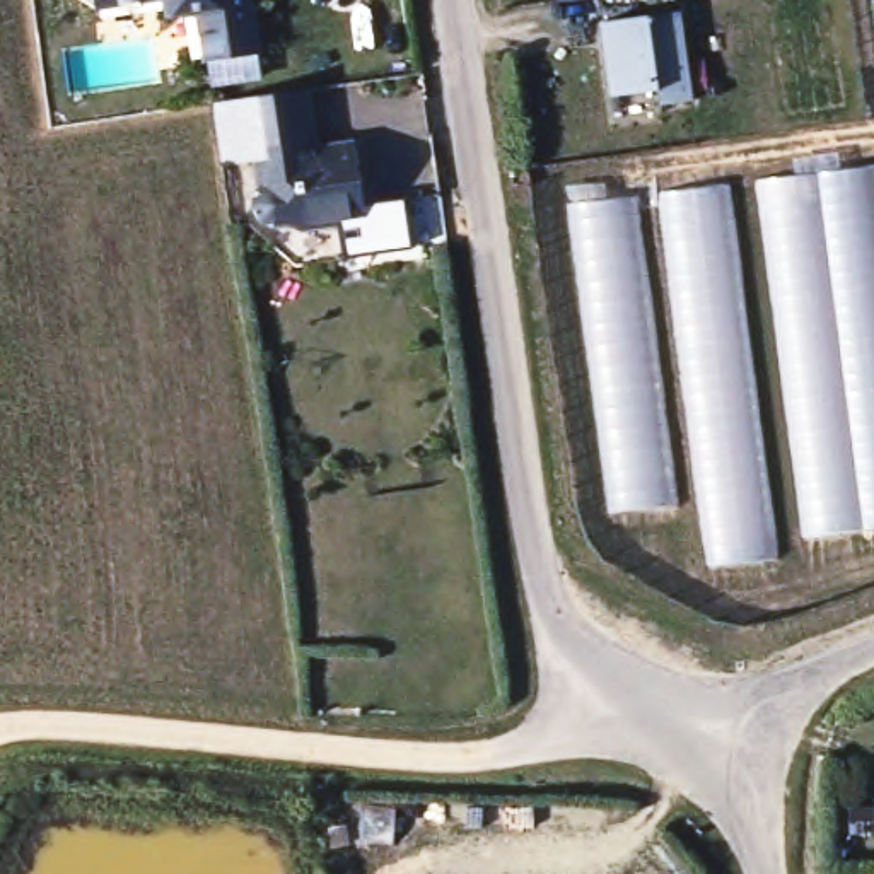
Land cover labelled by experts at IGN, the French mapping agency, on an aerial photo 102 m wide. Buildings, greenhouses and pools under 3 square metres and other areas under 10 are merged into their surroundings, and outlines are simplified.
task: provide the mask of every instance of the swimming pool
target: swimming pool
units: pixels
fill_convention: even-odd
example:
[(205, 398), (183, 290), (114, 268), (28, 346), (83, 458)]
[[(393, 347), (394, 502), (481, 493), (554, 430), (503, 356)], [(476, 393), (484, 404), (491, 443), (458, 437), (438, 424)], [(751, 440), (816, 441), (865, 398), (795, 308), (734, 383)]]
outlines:
[(72, 89), (92, 85), (96, 92), (154, 85), (160, 82), (160, 68), (147, 41), (116, 41), (113, 48), (102, 48), (99, 41), (85, 44), (85, 55), (65, 55), (61, 72), (61, 79), (68, 82)]

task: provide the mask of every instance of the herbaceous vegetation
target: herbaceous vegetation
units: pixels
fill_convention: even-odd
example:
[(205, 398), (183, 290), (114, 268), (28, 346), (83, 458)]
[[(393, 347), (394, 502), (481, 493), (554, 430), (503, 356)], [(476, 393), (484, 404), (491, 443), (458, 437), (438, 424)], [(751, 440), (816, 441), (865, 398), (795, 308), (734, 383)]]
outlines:
[(195, 58), (184, 48), (178, 51), (174, 68), (160, 68), (160, 82), (154, 85), (96, 92), (92, 85), (72, 89), (68, 82), (58, 96), (58, 109), (51, 113), (48, 106), (34, 0), (20, 0), (27, 34), (27, 72), (38, 102), (41, 137), (79, 137), (113, 126), (154, 126), (205, 116), (215, 119), (215, 102), (270, 96), (277, 82), (314, 75), (324, 68), (345, 72), (403, 72), (403, 20), (410, 17), (410, 0), (372, 0), (369, 14), (376, 41), (372, 48), (358, 51), (352, 44), (352, 20), (345, 14), (335, 14), (331, 7), (311, 7), (307, 0), (277, 0), (273, 10), (263, 10), (256, 17), (249, 31), (253, 41), (246, 44), (249, 55), (259, 58), (259, 82), (212, 85), (208, 68)]
[(488, 772), (495, 782), (526, 785), (656, 785), (645, 768), (608, 758), (519, 765)]
[(594, 14), (594, 0), (481, 0), (488, 17), (512, 14), (539, 3), (574, 24), (584, 14)]
[[(840, 123), (874, 119), (874, 113), (864, 99), (860, 68), (874, 65), (874, 0), (673, 0), (679, 14), (686, 27), (693, 96), (686, 106), (662, 106), (656, 123), (615, 126), (604, 113), (604, 92), (597, 38), (587, 48), (567, 51), (567, 58), (550, 58), (546, 41), (533, 41), (522, 41), (516, 48), (516, 75), (529, 140), (529, 167), (498, 178), (519, 290), (519, 318), (526, 338), (550, 529), (570, 580), (594, 594), (608, 611), (656, 625), (662, 645), (686, 645), (703, 669), (717, 673), (731, 673), (737, 662), (768, 659), (789, 645), (847, 628), (874, 615), (874, 533), (806, 539), (799, 533), (795, 478), (755, 191), (744, 184), (737, 171), (727, 178), (727, 184), (737, 225), (748, 338), (778, 543), (778, 556), (758, 567), (710, 567), (703, 553), (666, 294), (662, 232), (645, 188), (625, 181), (625, 157), (703, 143), (731, 143), (751, 137), (785, 137), (799, 130), (826, 130)], [(608, 198), (635, 198), (638, 205), (676, 478), (676, 516), (669, 519), (649, 512), (611, 516), (604, 502), (597, 423), (567, 229), (567, 184), (597, 184)]]
[(79, 3), (75, 24), (55, 38), (55, 65), (61, 72), (65, 55), (85, 55), (85, 44), (99, 41), (99, 17), (85, 3)]
[(420, 478), (420, 461), (413, 457), (413, 447), (423, 444), (413, 434), (417, 399), (427, 396), (427, 403), (440, 403), (444, 389), (423, 393), (420, 382), (410, 379), (410, 355), (399, 348), (399, 341), (417, 338), (423, 348), (437, 348), (440, 331), (417, 331), (406, 311), (413, 311), (420, 300), (393, 297), (389, 280), (376, 280), (365, 270), (348, 270), (341, 280), (331, 280), (321, 290), (300, 287), (297, 277), (307, 259), (287, 246), (277, 253), (280, 287), (273, 290), (273, 307), (280, 318), (283, 341), (294, 345), (294, 358), (287, 369), (294, 410), (300, 413), (311, 434), (328, 437), (341, 451), (393, 454), (389, 468), (376, 468), (379, 485), (403, 485)]
[(495, 737), (516, 731), (529, 717), (529, 707), (536, 700), (536, 649), (505, 505), (492, 376), (475, 287), (475, 256), (464, 236), (444, 246), (457, 348), (468, 382), (475, 471), (505, 649), (509, 700), (502, 710), (475, 717), (478, 703), (492, 690), (485, 669), (488, 652), (475, 597), (461, 478), (454, 461), (444, 457), (437, 464), (437, 488), (372, 498), (365, 492), (365, 478), (352, 471), (341, 492), (307, 505), (318, 632), (382, 635), (396, 645), (396, 652), (379, 656), (372, 649), (355, 645), (300, 645), (300, 662), (307, 666), (307, 714), (297, 714), (280, 731), (382, 741)]
[(710, 816), (690, 799), (679, 799), (666, 823), (632, 854), (628, 864), (621, 864), (611, 874), (741, 874), (731, 847), (710, 823)]
[(867, 792), (860, 806), (836, 809), (830, 819), (833, 826), (847, 826), (850, 836), (874, 847), (874, 669), (847, 679), (819, 703), (792, 755), (785, 782), (789, 874), (809, 874), (809, 799), (823, 792), (826, 758), (854, 758), (864, 765)]

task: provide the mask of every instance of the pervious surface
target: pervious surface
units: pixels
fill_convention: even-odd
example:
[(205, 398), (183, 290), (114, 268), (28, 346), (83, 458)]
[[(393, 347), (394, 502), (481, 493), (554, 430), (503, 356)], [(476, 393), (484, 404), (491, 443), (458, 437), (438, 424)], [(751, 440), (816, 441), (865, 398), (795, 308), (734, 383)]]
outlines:
[(495, 737), (382, 741), (280, 731), (75, 710), (0, 714), (0, 744), (85, 741), (382, 772), (488, 772), (519, 765), (505, 755), (505, 748)]
[(615, 126), (656, 123), (662, 106), (652, 96), (604, 92), (604, 113)]
[(649, 181), (659, 181), (662, 191), (727, 184), (727, 178), (737, 171), (744, 184), (755, 191), (765, 178), (789, 178), (795, 157), (809, 157), (823, 147), (843, 147), (843, 171), (874, 167), (874, 119), (840, 123), (826, 130), (799, 130), (785, 137), (751, 137), (731, 143), (703, 143), (625, 157), (625, 181), (645, 188)]
[(526, 806), (505, 806), (498, 809), (492, 830), (481, 826), (478, 809), (454, 799), (430, 802), (427, 813), (420, 806), (396, 806), (396, 816), (365, 809), (358, 816), (358, 847), (372, 874), (611, 874), (621, 864), (628, 864), (632, 854), (666, 823), (679, 799), (666, 789), (659, 792), (659, 799), (638, 813), (618, 806), (553, 806), (546, 823), (536, 823)]
[(673, 44), (673, 14), (679, 14), (673, 0), (594, 0), (594, 14), (584, 14), (574, 24), (539, 3), (512, 14), (519, 17), (519, 24), (536, 24), (533, 41), (546, 41), (550, 58), (567, 58), (567, 51), (587, 48), (597, 38), (601, 24), (649, 17), (656, 79), (659, 85), (673, 85), (679, 79), (679, 68)]

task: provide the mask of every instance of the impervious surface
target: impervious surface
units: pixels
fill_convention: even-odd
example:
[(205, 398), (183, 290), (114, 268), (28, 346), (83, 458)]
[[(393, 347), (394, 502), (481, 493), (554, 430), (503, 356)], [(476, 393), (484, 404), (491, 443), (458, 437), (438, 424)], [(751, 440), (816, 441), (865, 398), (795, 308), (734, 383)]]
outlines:
[(403, 246), (352, 253), (345, 266), (348, 270), (365, 270), (396, 259), (420, 263), (427, 246), (444, 246), (464, 236), (475, 256), (475, 287), (492, 376), (505, 505), (536, 649), (536, 700), (529, 707), (529, 717), (516, 731), (495, 737), (505, 748), (505, 755), (519, 765), (608, 758), (645, 768), (656, 785), (659, 792), (666, 789), (679, 799), (690, 799), (710, 816), (710, 823), (731, 847), (741, 874), (789, 874), (785, 782), (792, 755), (819, 703), (847, 679), (874, 669), (874, 615), (847, 628), (789, 645), (768, 659), (737, 662), (731, 673), (717, 673), (703, 669), (686, 645), (662, 645), (656, 625), (608, 611), (594, 594), (570, 580), (550, 529), (526, 338), (519, 318), (519, 290), (498, 178), (485, 96), (485, 51), (505, 48), (509, 41), (522, 41), (533, 41), (536, 24), (519, 24), (519, 17), (512, 14), (488, 17), (481, 0), (410, 0), (410, 17), (417, 24), (417, 58), (423, 79), (406, 99), (372, 96), (365, 82), (345, 82), (345, 72), (324, 68), (314, 75), (277, 82), (270, 96), (277, 109), (283, 154), (290, 147), (304, 154), (321, 154), (328, 140), (355, 140), (365, 201), (403, 201), (406, 208), (410, 239)]
[(307, 0), (311, 7), (331, 7), (335, 14), (345, 14), (352, 20), (352, 44), (358, 51), (372, 48), (376, 41), (369, 14), (372, 0)]
[(287, 246), (307, 259), (328, 256), (338, 253), (335, 229), (294, 229), (287, 242)]
[(181, 17), (178, 7), (160, 7), (157, 0), (79, 0), (79, 3), (85, 3), (99, 17), (99, 41), (102, 48), (113, 48), (116, 41), (147, 41), (160, 68), (174, 68), (178, 51), (184, 48), (195, 58), (201, 55), (198, 17)]

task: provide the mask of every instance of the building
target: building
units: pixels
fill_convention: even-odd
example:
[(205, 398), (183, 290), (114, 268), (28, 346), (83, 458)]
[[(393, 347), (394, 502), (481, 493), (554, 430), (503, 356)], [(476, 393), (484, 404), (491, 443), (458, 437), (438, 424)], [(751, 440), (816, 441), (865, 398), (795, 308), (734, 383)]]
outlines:
[(328, 256), (335, 266), (345, 266), (352, 253), (403, 246), (410, 239), (406, 208), (403, 201), (365, 201), (355, 140), (328, 140), (321, 154), (304, 154), (290, 147), (283, 154), (277, 109), (270, 96), (215, 102), (215, 119), (219, 160), (239, 164), (242, 208), (263, 232), (277, 232), (287, 242), (294, 229), (335, 229), (338, 253)]
[(656, 79), (649, 17), (601, 24), (597, 38), (604, 92), (652, 96), (662, 106), (686, 106), (693, 96), (686, 27), (679, 14), (673, 14), (673, 44), (679, 68), (679, 79), (673, 85), (659, 85)]
[(201, 55), (195, 58), (208, 68), (212, 85), (259, 82), (259, 58), (249, 55), (246, 44), (253, 41), (249, 31), (256, 17), (263, 10), (273, 10), (277, 0), (157, 0), (160, 7), (178, 7), (181, 17), (198, 17)]

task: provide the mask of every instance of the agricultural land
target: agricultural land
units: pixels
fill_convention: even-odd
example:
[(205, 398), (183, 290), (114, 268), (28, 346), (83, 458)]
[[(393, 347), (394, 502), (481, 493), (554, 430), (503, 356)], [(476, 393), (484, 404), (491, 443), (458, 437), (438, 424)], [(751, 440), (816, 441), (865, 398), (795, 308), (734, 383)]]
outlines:
[(0, 0), (0, 714), (75, 710), (280, 731), (297, 714), (290, 700), (290, 662), (283, 649), (280, 591), (263, 505), (246, 365), (219, 236), (219, 160), (215, 119), (205, 116), (154, 126), (113, 126), (79, 137), (41, 137), (38, 102), (27, 72), (27, 34), (20, 0)]

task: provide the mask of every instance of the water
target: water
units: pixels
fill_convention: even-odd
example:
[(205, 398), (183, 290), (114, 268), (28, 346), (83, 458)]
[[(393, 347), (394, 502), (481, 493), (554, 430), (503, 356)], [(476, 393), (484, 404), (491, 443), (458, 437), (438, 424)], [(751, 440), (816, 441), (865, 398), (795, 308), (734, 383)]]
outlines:
[(287, 874), (280, 854), (263, 836), (242, 833), (239, 823), (222, 823), (205, 833), (188, 833), (174, 826), (150, 836), (82, 826), (51, 830), (34, 857), (31, 874)]

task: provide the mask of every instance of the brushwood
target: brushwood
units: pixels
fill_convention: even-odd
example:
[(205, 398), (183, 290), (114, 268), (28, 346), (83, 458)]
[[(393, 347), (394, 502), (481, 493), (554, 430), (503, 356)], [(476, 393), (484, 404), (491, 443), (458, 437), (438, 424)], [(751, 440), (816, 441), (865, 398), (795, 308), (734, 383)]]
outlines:
[(345, 72), (345, 82), (365, 82), (372, 96), (406, 99), (423, 79), (417, 58), (417, 24), (410, 17), (403, 20), (403, 72)]
[(498, 178), (529, 167), (529, 140), (516, 75), (516, 48), (522, 41), (509, 41), (505, 48), (485, 51), (485, 96)]
[(79, 0), (34, 0), (48, 106), (51, 113), (58, 109), (58, 96), (68, 82), (61, 79), (61, 72), (55, 65), (55, 38), (75, 24), (79, 3)]
[(847, 826), (833, 826), (830, 819), (836, 809), (860, 806), (867, 792), (864, 765), (854, 758), (826, 758), (823, 792), (809, 799), (809, 874), (874, 874), (874, 847), (850, 836)]
[(509, 700), (505, 649), (475, 471), (468, 382), (457, 348), (444, 246), (427, 246), (420, 263), (396, 259), (365, 270), (376, 280), (389, 280), (393, 297), (420, 300), (413, 311), (406, 311), (417, 331), (440, 331), (437, 348), (423, 348), (417, 338), (399, 341), (399, 348), (410, 355), (410, 379), (420, 382), (423, 393), (444, 389), (440, 403), (427, 403), (427, 396), (417, 399), (413, 434), (423, 444), (413, 447), (413, 457), (420, 461), (420, 478), (403, 485), (379, 485), (376, 468), (389, 468), (393, 454), (341, 451), (328, 437), (311, 434), (300, 413), (294, 410), (287, 369), (294, 358), (294, 345), (283, 341), (280, 318), (273, 307), (273, 290), (280, 287), (277, 253), (287, 246), (287, 242), (277, 232), (263, 232), (242, 208), (239, 164), (219, 160), (219, 236), (246, 365), (263, 505), (280, 591), (283, 649), (290, 662), (290, 700), (297, 714), (307, 714), (307, 666), (300, 662), (300, 645), (355, 645), (372, 649), (379, 656), (396, 652), (396, 645), (382, 635), (318, 632), (307, 505), (341, 492), (352, 471), (365, 478), (365, 492), (372, 498), (437, 488), (437, 464), (444, 457), (454, 461), (461, 478), (475, 597), (488, 652), (485, 669), (492, 690), (478, 703), (475, 717), (502, 710)]
[(328, 256), (307, 259), (297, 277), (300, 287), (321, 290), (331, 280), (341, 280), (348, 270), (345, 266), (335, 266)]
[(659, 799), (659, 792), (656, 785), (526, 785), (495, 782), (488, 772), (382, 772), (85, 741), (0, 744), (0, 874), (31, 874), (34, 857), (51, 830), (82, 826), (150, 836), (174, 826), (188, 833), (205, 833), (222, 823), (239, 823), (242, 833), (263, 836), (280, 854), (287, 874), (372, 874), (358, 847), (358, 816), (365, 809), (396, 816), (396, 806), (420, 806), (427, 813), (430, 802), (454, 799), (478, 809), (481, 826), (492, 830), (498, 809), (505, 806), (526, 806), (536, 823), (546, 823), (553, 806), (618, 806), (638, 813)]

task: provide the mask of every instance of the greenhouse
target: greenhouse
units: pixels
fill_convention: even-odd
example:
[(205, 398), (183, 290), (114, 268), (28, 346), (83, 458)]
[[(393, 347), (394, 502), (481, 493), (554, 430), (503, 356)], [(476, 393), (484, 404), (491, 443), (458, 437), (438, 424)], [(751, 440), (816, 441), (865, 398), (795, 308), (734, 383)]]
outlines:
[(662, 232), (666, 294), (703, 553), (710, 567), (758, 567), (778, 556), (778, 543), (748, 338), (737, 225), (727, 184), (662, 191), (659, 181), (649, 181), (645, 188)]
[(809, 157), (795, 157), (789, 178), (765, 178), (755, 191), (795, 478), (799, 533), (806, 539), (874, 533), (874, 167), (843, 171), (843, 147), (823, 147)]
[(676, 478), (638, 205), (635, 198), (608, 198), (597, 184), (567, 184), (567, 229), (597, 423), (604, 502), (611, 516), (649, 512), (669, 519), (676, 516)]
[(864, 99), (874, 113), (874, 65), (860, 68)]

